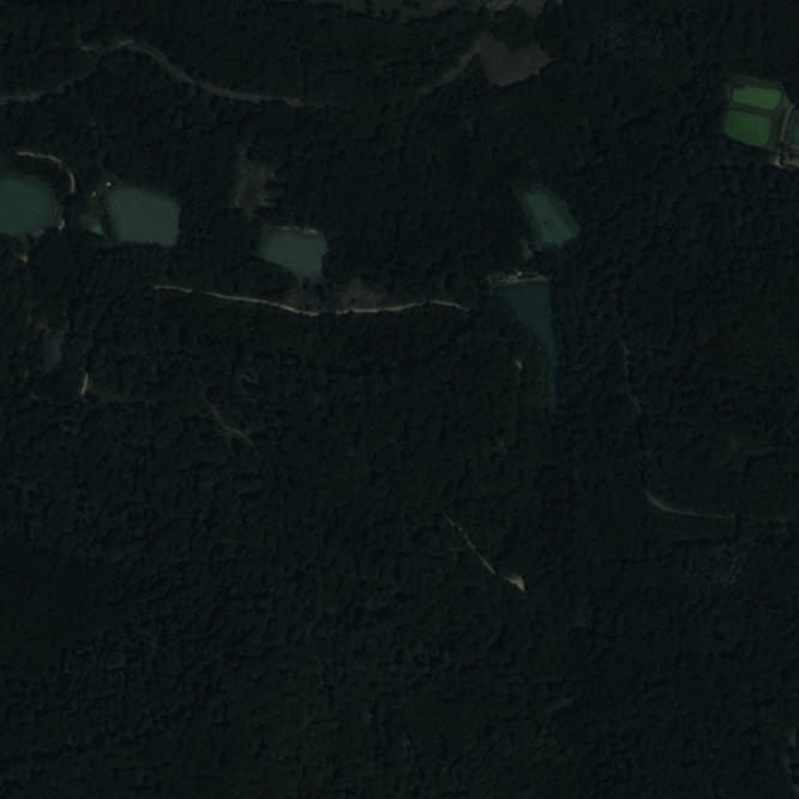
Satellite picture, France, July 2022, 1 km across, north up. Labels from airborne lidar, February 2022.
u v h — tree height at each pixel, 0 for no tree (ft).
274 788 84
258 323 29
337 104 71
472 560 78
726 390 94
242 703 88
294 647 103
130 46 0
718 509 51
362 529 48
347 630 53
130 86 78
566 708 0
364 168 78
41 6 75
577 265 88
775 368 28
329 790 52
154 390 101
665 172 103
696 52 78
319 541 83
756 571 81
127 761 79
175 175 88
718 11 49
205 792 90
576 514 94
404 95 78
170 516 88
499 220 95
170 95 85
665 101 35
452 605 87
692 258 94
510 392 83
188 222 39
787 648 104
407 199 84
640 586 67
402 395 88
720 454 84
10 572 51
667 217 89
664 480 78
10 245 94
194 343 97
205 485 94
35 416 70
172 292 23
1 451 91
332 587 69
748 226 95
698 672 103
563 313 86
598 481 52
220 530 74
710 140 88
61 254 70
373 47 66
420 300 87
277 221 76
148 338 89
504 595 63
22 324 85
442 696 91
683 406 69
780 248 68
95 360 91
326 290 72
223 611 86
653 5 76
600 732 68
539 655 98
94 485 80
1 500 76
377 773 114
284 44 68
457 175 75
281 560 42
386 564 52
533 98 82
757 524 43
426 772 109
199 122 69
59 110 61
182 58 104
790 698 82
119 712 31
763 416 42
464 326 17
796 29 71
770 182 99
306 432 91
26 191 0
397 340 40
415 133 73
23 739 39
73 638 40
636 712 86
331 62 72
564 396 67
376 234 86
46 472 96
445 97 51
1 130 60
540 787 79
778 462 87
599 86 73
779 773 81
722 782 98
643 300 90
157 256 87
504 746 82
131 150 74
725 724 92
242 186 0
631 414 94
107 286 71
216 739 92
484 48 0
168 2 81
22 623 46
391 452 82
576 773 73
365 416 82
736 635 91
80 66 83
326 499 77
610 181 88
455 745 96
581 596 66
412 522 78
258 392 98
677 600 65
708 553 103
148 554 85
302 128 55
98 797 83
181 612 99
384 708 104
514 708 92
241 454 85
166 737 95
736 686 92
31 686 38
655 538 54
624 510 27
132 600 41
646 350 88
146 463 86
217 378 95
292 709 89
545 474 86
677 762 66
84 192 75
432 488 88
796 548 77
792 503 74
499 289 0
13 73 87
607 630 66
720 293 76
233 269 75
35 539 78
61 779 83
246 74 100
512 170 93
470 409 56
